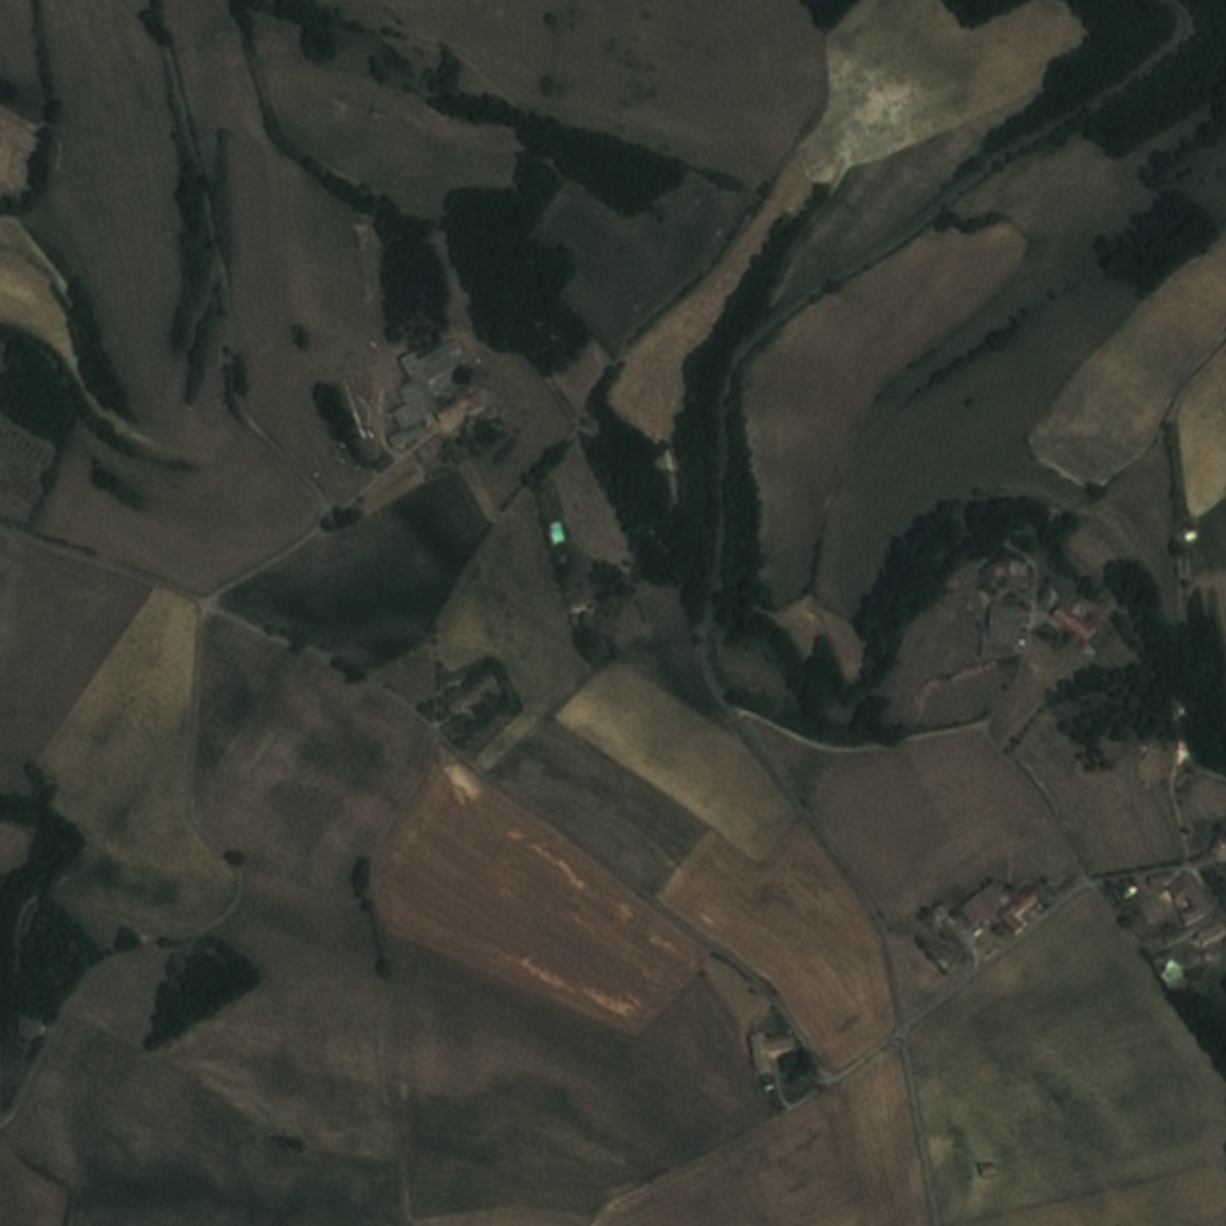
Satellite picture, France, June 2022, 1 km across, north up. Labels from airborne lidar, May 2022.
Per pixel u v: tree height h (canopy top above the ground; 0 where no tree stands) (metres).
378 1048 0
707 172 8
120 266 0
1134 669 12
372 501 0
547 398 0
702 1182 0
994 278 0
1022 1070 0
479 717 6
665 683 0
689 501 8
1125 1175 0
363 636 0
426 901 0
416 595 0
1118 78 10
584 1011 0
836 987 0
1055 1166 0
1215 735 8
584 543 0
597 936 0
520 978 0
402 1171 0
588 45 0
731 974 0
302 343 11
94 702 0
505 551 0
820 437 0
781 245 15
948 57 0
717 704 0
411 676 0
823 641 6
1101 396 0
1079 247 0
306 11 18
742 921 0
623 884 0
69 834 10
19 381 14
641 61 0
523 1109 0
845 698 9
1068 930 0
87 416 13
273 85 0
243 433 0
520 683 0
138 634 0
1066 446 0
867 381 0
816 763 0
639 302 0
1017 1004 0
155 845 0
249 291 0
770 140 0
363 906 9
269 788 0
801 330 0
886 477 0
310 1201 0
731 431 14
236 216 0
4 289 0
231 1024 0
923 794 0
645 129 0
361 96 0
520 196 11
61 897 0
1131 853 0
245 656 0
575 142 10
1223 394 0
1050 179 0
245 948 0
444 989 0
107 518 0
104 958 9
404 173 0
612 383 8
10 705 0
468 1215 0
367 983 0
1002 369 0
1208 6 13
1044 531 14
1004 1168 0
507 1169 0
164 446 0
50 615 0
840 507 0
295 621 0
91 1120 0
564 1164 0
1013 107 0
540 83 0
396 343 10
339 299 0
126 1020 0
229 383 9
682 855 0
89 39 0
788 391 0
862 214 0
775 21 0
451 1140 0
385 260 9
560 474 0
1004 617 0
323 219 0
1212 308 0
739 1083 0
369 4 0
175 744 0
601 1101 0
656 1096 0
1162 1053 0
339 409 13
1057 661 0
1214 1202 0
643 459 11
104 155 0
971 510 12
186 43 0
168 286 0
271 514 0
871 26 0
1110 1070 0
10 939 9
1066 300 0
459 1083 0
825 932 0
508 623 0
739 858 0
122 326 0
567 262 12
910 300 0
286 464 0
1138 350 0
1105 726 13
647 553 13
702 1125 0
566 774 0
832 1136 0
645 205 10
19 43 0
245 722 0
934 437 0
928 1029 0
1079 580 6
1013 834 0
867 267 7
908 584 18
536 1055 0
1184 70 15
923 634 0
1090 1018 0
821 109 0
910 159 0
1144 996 0
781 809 0
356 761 0
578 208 0
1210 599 0
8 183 0
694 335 0
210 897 0
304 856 0
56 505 0
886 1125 0
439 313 8
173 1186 0
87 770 0
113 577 0
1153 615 16
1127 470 0
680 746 0
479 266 12
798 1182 0
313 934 0
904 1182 0
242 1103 0
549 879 0
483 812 0
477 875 0
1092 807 0
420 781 0
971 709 0
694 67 0
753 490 15
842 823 0
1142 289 8
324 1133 0
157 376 0
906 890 0
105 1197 0
